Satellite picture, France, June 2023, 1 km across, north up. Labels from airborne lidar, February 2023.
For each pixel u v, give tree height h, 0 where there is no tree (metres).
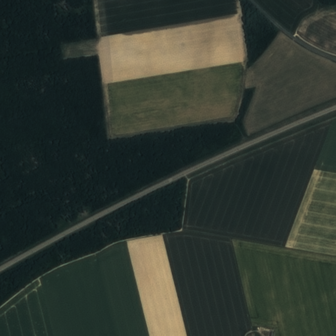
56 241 0
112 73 0
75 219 16
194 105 0
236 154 0
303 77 0
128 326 0
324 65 0
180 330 0
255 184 0
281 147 0
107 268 0
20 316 0
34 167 17
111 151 22
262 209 0
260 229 0
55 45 18
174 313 0
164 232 14
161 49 0
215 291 0
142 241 0
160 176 22
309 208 0
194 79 0
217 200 0
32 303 0
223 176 0
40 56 13
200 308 0
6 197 21
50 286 0
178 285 0
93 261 0
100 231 17
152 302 0
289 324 0
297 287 0
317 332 0
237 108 0
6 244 18
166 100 0
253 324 0
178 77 0
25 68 16
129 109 0
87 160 12
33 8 22
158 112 0
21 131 23
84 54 0
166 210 23
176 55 0
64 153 20
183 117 0
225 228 0
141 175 23
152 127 0
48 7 14
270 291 0
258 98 0
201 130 17
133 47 0
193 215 0
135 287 0
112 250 0
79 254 18
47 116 21
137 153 19
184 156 22
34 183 20
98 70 9
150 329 0
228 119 0
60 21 19
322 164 0
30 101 15
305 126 0
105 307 0
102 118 12
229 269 0
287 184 0
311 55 0
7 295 11
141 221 20
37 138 18
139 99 0
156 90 0
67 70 10
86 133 18
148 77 0
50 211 22
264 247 0
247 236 0
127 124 0
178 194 22
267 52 0
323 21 0
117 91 0
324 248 0
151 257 0
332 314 0
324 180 0
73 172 20
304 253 0
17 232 20
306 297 0
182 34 0
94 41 0
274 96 0
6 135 19
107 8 0
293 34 0
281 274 0
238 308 0
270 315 0
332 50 0
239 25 0
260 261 0
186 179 9
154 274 0
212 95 0
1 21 16
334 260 0
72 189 17
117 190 19
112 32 0
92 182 11
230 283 0
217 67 0
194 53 0
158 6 0
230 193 0
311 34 0
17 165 19
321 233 0
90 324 0
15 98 15
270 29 14
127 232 17
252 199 0
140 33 0
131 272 0
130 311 0
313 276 0
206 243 0
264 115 0
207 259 0
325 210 0
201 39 0
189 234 0
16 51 18
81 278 0
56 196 20
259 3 0
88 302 0
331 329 0
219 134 17
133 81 0
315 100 0
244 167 0
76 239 21
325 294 0
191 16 0
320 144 0
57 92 13
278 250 0
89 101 13
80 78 12
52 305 0
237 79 0
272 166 0
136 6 0
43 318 0
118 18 0
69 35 18
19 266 8
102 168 16
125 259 0
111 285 0
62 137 21
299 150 0
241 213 0
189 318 0
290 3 0
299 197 0
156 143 20
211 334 0
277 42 0
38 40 17
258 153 0
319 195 0
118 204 0
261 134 0
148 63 0
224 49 0
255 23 16
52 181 17
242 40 0
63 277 0
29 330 0
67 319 0
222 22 0
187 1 0
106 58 0
